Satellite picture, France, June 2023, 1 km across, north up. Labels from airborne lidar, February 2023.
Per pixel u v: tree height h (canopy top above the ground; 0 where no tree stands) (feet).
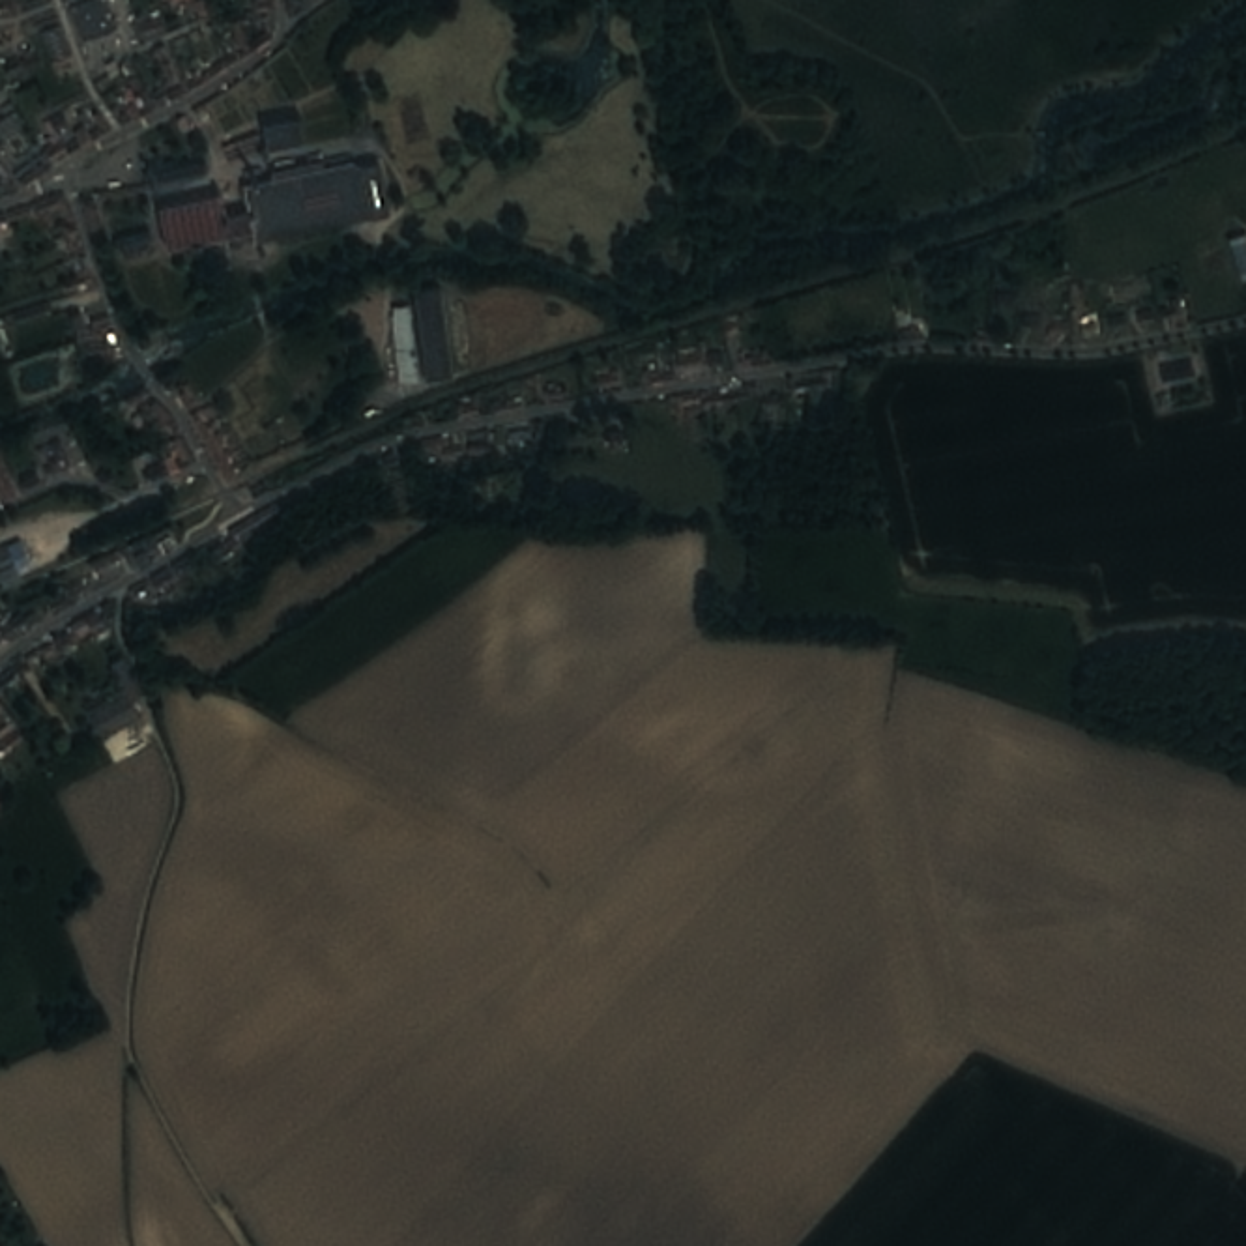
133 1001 0
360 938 0
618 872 0
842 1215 0
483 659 0
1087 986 0
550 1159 0
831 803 0
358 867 0
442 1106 0
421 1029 0
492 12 0
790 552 0
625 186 0
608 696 0
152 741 0
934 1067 0
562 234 0
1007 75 0
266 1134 0
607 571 0
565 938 0
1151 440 0
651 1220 0
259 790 0
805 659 0
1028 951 0
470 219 0
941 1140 0
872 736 0
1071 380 0
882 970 0
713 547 0
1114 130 63
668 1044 0
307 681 0
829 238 31
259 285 69
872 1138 0
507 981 0
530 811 0
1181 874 0
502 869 0
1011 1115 0
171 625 60
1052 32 0
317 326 40
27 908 0
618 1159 0
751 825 0
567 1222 0
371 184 0
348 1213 0
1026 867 0
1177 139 71
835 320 0
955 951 0
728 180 78
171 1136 0
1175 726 62
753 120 0
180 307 0
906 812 0
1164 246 0
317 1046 0
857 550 0
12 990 0
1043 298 0
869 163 20
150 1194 0
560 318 0
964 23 0
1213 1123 0
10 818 0
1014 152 0
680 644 0
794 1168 0
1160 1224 0
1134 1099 0
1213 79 72
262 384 0
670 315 41
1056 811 0
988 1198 0
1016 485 0
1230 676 78
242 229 0
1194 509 0
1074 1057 0
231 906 0
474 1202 0
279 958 0
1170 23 0
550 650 0
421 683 0
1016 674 0
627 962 0
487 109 0
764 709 0
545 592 0
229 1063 0
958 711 0
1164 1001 0
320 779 0
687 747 0
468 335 0
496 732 0
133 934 0
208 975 0
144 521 65
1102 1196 0
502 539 0
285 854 0
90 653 0
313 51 0
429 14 83
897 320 0
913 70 0
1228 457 0
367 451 0
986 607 0
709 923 0
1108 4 0
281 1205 0
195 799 0
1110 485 0
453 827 0
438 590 0
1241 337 0
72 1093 0
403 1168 0
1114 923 0
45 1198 0
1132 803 0
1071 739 0
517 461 58
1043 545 0
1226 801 0
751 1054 0
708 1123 0
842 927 0
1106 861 0
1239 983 0
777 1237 0
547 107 56
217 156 0
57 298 0
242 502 0
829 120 0
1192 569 0
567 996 0
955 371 0
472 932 0
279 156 0
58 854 0
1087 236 0
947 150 0
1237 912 0
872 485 46
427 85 0
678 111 39
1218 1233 0
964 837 0
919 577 0
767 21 0
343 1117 0
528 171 0
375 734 0
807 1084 0
